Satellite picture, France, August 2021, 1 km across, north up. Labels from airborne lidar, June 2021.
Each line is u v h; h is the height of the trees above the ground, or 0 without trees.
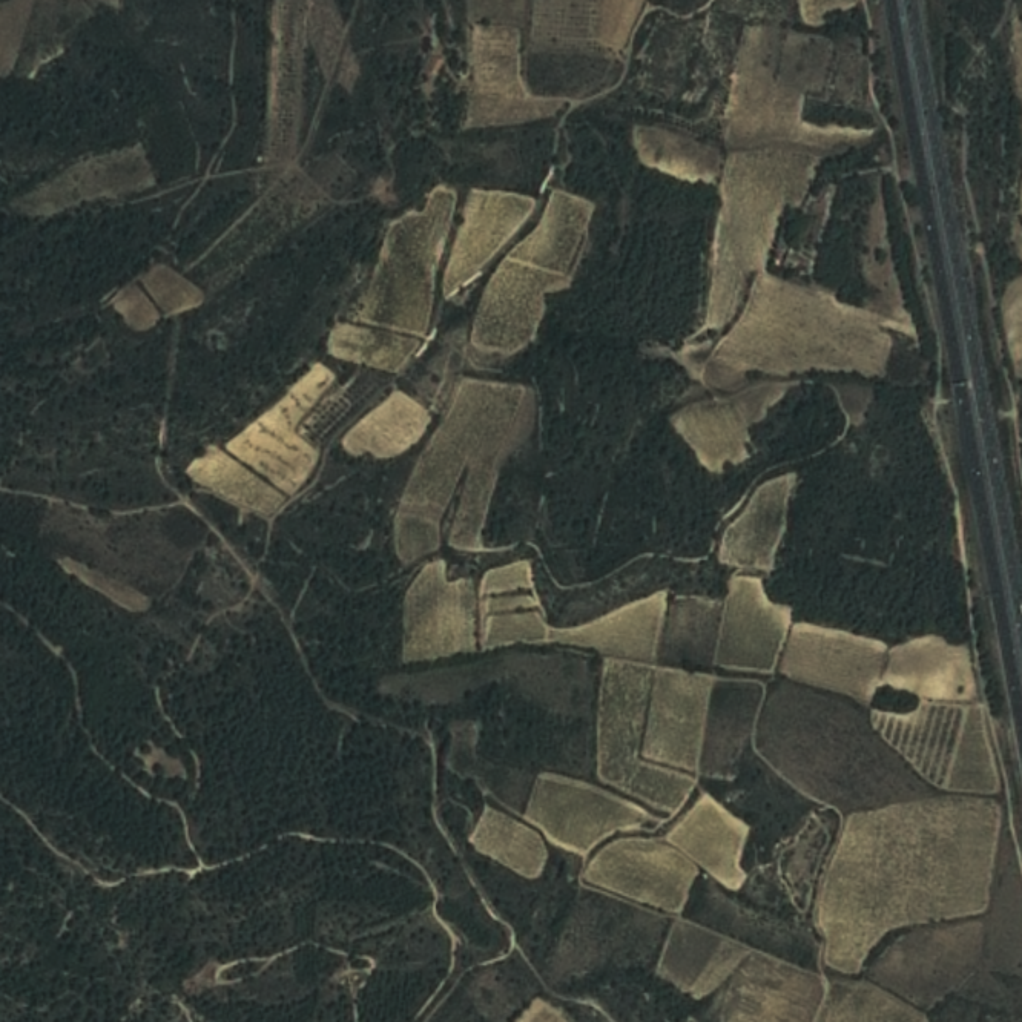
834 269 9
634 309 8
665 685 0
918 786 0
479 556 0
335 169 0
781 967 0
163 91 0
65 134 7
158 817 7
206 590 0
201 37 0
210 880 8
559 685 0
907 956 0
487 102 0
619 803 0
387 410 0
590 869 0
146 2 0
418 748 10
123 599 0
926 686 0
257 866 8
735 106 0
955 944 0
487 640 0
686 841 0
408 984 9
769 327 0
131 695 7
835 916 0
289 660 13
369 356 0
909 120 0
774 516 0
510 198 0
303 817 9
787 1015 0
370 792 8
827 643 0
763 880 6
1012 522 0
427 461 0
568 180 8
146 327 0
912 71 0
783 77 0
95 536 0
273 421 0
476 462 0
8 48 0
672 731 0
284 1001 9
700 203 10
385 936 10
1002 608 0
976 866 0
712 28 0
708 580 7
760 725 0
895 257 10
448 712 11
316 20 0
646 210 7
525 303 0
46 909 7
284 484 0
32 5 0
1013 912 0
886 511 7
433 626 0
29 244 7
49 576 11
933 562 10
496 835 0
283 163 0
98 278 7
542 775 0
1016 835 0
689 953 0
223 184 0
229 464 0
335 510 9
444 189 0
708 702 0
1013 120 9
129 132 0
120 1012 9
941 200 0
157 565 0
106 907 7
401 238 0
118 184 0
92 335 8
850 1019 0
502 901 9
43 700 10
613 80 0
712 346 0
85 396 8
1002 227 7
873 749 0
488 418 0
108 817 7
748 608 0
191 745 12
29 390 8
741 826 0
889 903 0
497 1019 0
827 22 9
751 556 0
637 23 0
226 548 0
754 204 0
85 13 0
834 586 7
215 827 7
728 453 0
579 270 0
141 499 8
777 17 0
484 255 0
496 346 0
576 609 0
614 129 10
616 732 0
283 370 7
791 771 0
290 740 10
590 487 0
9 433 8
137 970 7
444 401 0
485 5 0
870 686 0
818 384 8
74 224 9
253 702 9
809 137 0
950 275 0
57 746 13
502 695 7
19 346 8
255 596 0
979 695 0
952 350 0
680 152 0
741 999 0
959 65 8
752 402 0
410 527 0
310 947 9
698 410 0
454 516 0
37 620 10
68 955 12
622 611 0
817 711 0
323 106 0
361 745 13
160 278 0
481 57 0
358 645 14
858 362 0
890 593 8
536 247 0
